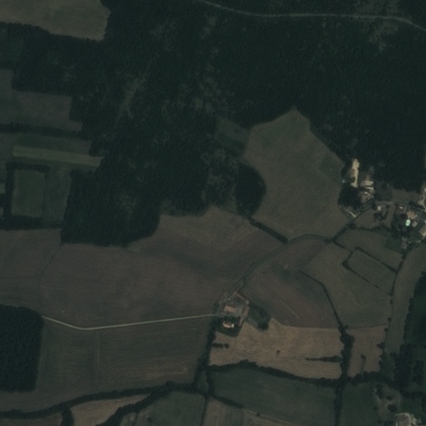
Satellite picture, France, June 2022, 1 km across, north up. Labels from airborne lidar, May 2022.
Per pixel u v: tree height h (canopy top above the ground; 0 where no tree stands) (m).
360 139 12
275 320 0
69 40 14
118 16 15
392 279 0
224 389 0
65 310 0
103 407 0
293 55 9
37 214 0
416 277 0
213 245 0
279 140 0
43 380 0
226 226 0
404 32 11
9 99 0
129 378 0
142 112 9
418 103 14
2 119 0
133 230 6
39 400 0
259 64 9
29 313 20
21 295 0
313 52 8
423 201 0
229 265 0
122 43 11
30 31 7
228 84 8
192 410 0
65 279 0
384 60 10
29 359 23
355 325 0
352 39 8
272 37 10
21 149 0
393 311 0
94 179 10
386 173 10
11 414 14
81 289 0
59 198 0
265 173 0
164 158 10
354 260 0
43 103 0
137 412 12
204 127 9
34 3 0
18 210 0
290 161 0
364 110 13
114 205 9
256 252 0
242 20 10
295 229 0
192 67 8
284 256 0
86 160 0
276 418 0
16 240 0
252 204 7
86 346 0
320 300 0
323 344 0
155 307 0
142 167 8
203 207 13
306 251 0
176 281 0
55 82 7
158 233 0
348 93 8
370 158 10
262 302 0
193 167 11
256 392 0
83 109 10
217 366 10
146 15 10
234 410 0
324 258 0
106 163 12
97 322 0
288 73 9
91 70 10
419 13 11
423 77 11
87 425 0
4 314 20
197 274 0
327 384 16
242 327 0
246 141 0
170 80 7
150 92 10
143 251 0
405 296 0
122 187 8
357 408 0
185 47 11
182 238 0
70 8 0
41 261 0
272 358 0
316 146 0
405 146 13
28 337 19
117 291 0
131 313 0
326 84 11
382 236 0
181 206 14
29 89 17
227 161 7
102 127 6
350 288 0
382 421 9
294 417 0
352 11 11
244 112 10
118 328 0
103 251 0
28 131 5
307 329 0
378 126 14
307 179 0
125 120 10
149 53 9
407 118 14
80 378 0
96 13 0
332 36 6
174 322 0
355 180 0
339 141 10
